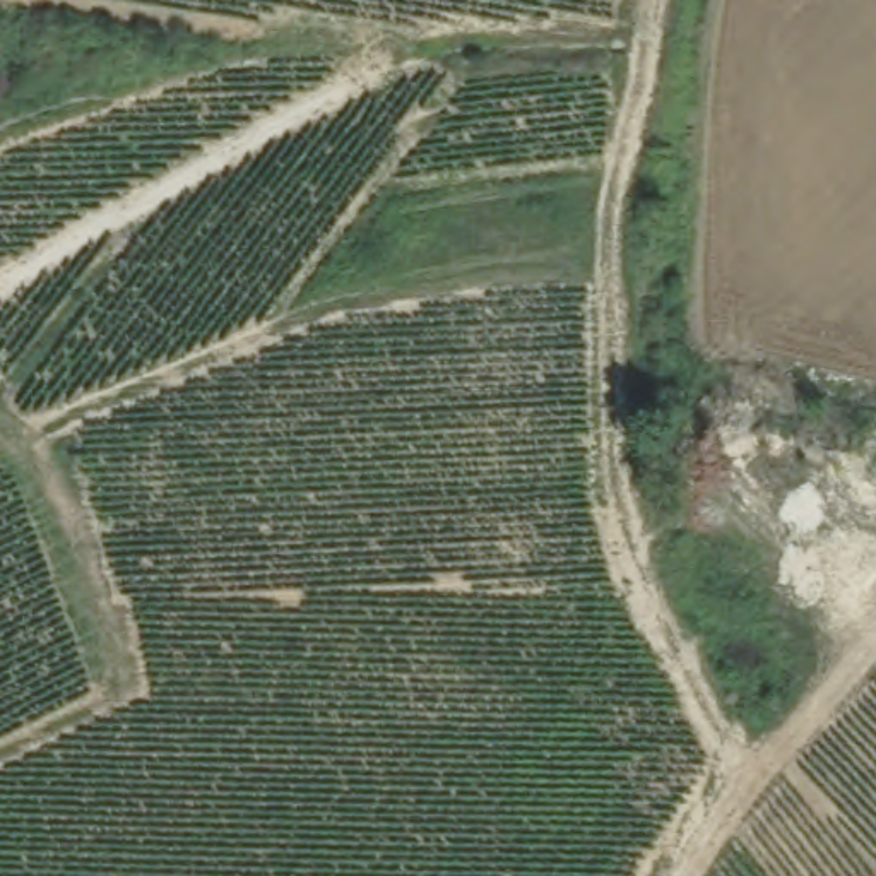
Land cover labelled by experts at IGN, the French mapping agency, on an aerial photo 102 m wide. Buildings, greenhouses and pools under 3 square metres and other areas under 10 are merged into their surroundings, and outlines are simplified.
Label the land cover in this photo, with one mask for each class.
<instances>
[{"label":"vineyard","instance_id":"1","mask_svg":"<svg viewBox=\"0 0 876 876\"><path fill-rule=\"evenodd\" d=\"M0 3H68L79 10H110L113 17L140 14L154 21H185L195 31H216L222 38L270 41V62L263 68L222 65L216 72L188 75L178 82L161 79L147 89H133L113 99L72 96L79 113L0 140V263L34 250L38 240H48L68 222L99 209L103 202L120 198L137 181H154L168 168L202 154L209 140H219L253 123L257 113H270L274 106L291 103L294 92H311L329 75H342L356 92V99H349L339 113L318 116L284 137L267 140L257 154H246L240 164L222 168L202 178L195 188L181 192L178 198L161 202L147 219L99 233L79 253L65 257L55 270H41L31 284L0 301V876H633L643 849L654 845V838L671 821L674 808L691 790L705 749L691 722L684 719L671 678L657 664V654L633 626L626 602L613 589L602 558V541L585 500V291L544 287L537 274H489L479 284L421 287L414 298H394L380 305L339 311H325V305H298V291L318 270L322 257L342 240V233L359 219L363 205L376 192H383L387 185H445L479 178H527L548 171L602 175V147L623 106L640 0H0ZM705 876H876V667L849 691V698L835 712V722L821 729L808 743V749H801L797 760H787L749 801L739 828L732 832V838H725Z\"/></svg>","mask_w":876,"mask_h":876},{"label":"brushwood","instance_id":"2","mask_svg":"<svg viewBox=\"0 0 876 876\"><path fill-rule=\"evenodd\" d=\"M708 0H667L654 103L647 110L643 144L636 154L623 209L626 363H609L606 370L609 417L623 428L640 411L684 407L691 414L701 411L705 397L732 400V376L725 373V366L719 359H705L691 346L684 287L695 257L698 219L701 96L705 79L715 68V55L701 48ZM270 62V41L222 38L216 31H195L185 21H154L140 14L113 17L110 10H79L68 3H0V140L79 113L72 96L113 99L133 89H147L161 79L178 82L188 75L216 72L222 65L263 68ZM445 185H387L383 192H376L363 205L359 219L342 233V240L322 257L318 270L298 291V305H318V298L383 291L380 284L390 274L428 267L414 246H435L438 233H455L459 219L452 205H445ZM794 411H756L753 431H777L784 438L801 431L814 448L845 452L855 455L866 435L876 431V387L811 383L804 370H794ZM640 517L650 534V565L657 575V589L667 599L678 623L684 626V633L698 643V657L705 664L722 715L739 722L749 739H763L767 732L784 725L787 715L801 705V698L814 688V681L828 674V667L835 664L832 633L825 630L828 616L814 606H801L794 585H780L784 554L770 541H749L736 530H691L695 510L681 500L684 479H678L674 486H660L650 476H640L633 482Z\"/></svg>","mask_w":876,"mask_h":876},{"label":"plowed land","instance_id":"3","mask_svg":"<svg viewBox=\"0 0 876 876\"><path fill-rule=\"evenodd\" d=\"M701 48L715 55V68L705 79L701 96L698 219L695 257L684 287L691 346L705 359H719L725 366V373L732 376V400H746L756 411H794V370H804L811 383L876 387V0H708Z\"/></svg>","mask_w":876,"mask_h":876},{"label":"pervious surface","instance_id":"4","mask_svg":"<svg viewBox=\"0 0 876 876\"><path fill-rule=\"evenodd\" d=\"M667 0H640L623 106L602 147V175L595 198V260L585 291V500L602 541V558L613 589L626 602L633 626L657 654V664L671 678L684 719L691 722L705 749L691 790L674 808L671 821L654 838V845L643 849L633 876H705L725 838H732V832L739 828L749 801L787 760H797L801 749H808V743L821 729L835 722V712L849 698V691L876 667V431L866 435L855 455L845 452L838 465L825 472H808V482L784 500L780 517L794 527L787 534L784 554L780 585H794L801 606H814L828 616L825 630L832 633L835 664L828 667V674L814 681V688L801 698V705L787 715L784 725L767 732L763 739H749L739 722L722 715L705 664L698 657V643L684 633V626L678 623L667 599L657 589V575L650 565V534L640 517L633 482L623 455V428L609 417L606 370L609 363H626L623 209L636 154L643 144L647 110L654 103ZM349 99H356V92L342 75H329L311 92H294L291 103L274 106L270 113H257L253 123L219 140H209L202 154L168 168L154 181H137L120 198L103 202L99 209L68 222L48 240H38L34 250L0 263V301L31 284L41 270H55L65 257L79 253L99 233L147 219L161 202L178 198L181 192L195 188L202 178L222 168L240 164L246 154H257L267 140L284 137L318 116L339 113Z\"/></svg>","mask_w":876,"mask_h":876},{"label":"herbaceous vegetation","instance_id":"5","mask_svg":"<svg viewBox=\"0 0 876 876\"><path fill-rule=\"evenodd\" d=\"M602 175L548 171L527 178H479L445 185V205H452L459 219L455 233H438L435 246H414L428 267L390 274L380 284L383 291L318 298V305H325V311H339L380 305L394 298H414L421 287L479 284L489 274H537L544 287L585 291L595 260V198ZM756 411L746 400H732L705 397L701 411L691 414V424L671 441L667 452L623 455L633 482L640 476H650L660 486H674L678 479H684L681 500L695 510L691 530H736L749 541H770L784 554L787 534L794 527L780 517L784 500L808 482V472H825L838 465L845 452L814 448L801 431L784 438L777 431H753Z\"/></svg>","mask_w":876,"mask_h":876},{"label":"deciduous trees","instance_id":"6","mask_svg":"<svg viewBox=\"0 0 876 876\"><path fill-rule=\"evenodd\" d=\"M691 424V414L684 407L640 411L623 428V455L667 452L671 441Z\"/></svg>","mask_w":876,"mask_h":876}]
</instances>
